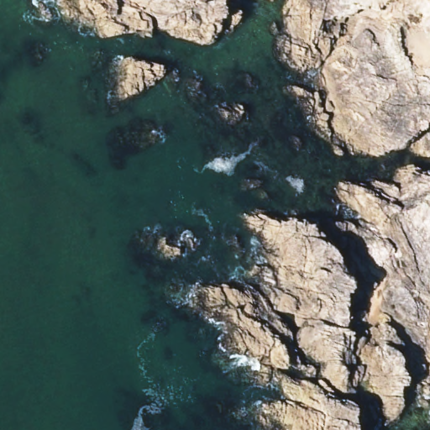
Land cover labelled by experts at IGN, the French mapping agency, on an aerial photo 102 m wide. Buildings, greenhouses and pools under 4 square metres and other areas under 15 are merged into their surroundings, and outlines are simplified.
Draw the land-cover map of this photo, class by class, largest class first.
<instances>
[{"label":"water","instance_id":"1","mask_svg":"<svg viewBox=\"0 0 430 430\"><path fill-rule=\"evenodd\" d=\"M255 13L249 24H244L240 20L232 34H223L220 30L210 44L202 45L191 40L171 37L168 32L161 29L153 30L151 37L119 34L113 37H81L77 32L79 22L64 15L59 20L49 22H25L22 18L24 13H39L37 7L32 5V0H0V430H264L265 425L259 422L260 410H257L255 401L275 403L284 395V391L260 385L254 376L250 375L254 370L250 366H235L233 370L223 373L220 364L213 363V353L218 351L217 338L220 329L205 321L193 307L186 306V294L190 291L191 284L200 282L205 287H218L225 284L230 289L239 287L240 282L232 281L230 274L237 265H242L247 270L252 269V265L247 262V255L250 252V239L255 230L245 222L249 215L254 217L264 213L274 220L286 222L307 210L333 212L336 203L341 200L338 197L339 183H353L366 191L371 190L373 181H385L391 185L395 180L396 171L410 165L417 156V153L406 148L393 149L381 156L364 153L353 155L351 151L348 155H334L333 146L311 128L306 114L296 102L294 87L314 92V81H306V72L292 69L286 62L275 57L274 45H277V40L287 32L282 13L284 3L279 0H254ZM121 55L143 60L148 64H160L165 67L163 76L155 81L153 86L143 87V91L123 99L119 97L118 92V60ZM240 153H244L245 160L239 161L232 170L217 171L208 168L207 163L210 161L217 158L227 160ZM185 230H190L191 235L200 244L195 245V249L188 257H166L163 250L158 247L160 240L166 239V244L173 247L176 239ZM386 427L390 430H430V420L425 408L418 406L417 401L412 406L403 403V410L398 413L395 420L386 417Z\"/></svg>","mask_w":430,"mask_h":430},{"label":"bare soil","instance_id":"2","mask_svg":"<svg viewBox=\"0 0 430 430\"><path fill-rule=\"evenodd\" d=\"M32 5L37 7L39 13H24L22 18L25 22H49L59 20L64 15L79 22L77 32L81 37H113L119 34L151 37L153 30L161 29L168 32L171 37L191 40L202 45L210 44L220 30L223 34H232L240 20L244 24H249L255 13L254 0H32ZM284 3L282 13L287 32L277 40V45H274L275 57L286 62L292 69L306 72V81H314V92L294 87L296 102L306 114L311 128L333 146L334 155H348L351 151L353 155L364 153L381 156L393 149L406 148L417 153V156L410 165L396 171L395 180L391 185L385 181H373L371 190L366 191L353 183H339L338 197L341 200L336 203L333 212L307 210L286 222L274 220L264 213L254 217L249 215L245 222L255 230L250 239V252L247 255V262L252 265V269L247 270L242 265H237L230 274L232 281L240 282L239 287L230 289L225 284L218 287H205L200 282L191 284L190 291L186 294V306L193 307L205 321L220 329L217 338L218 351L213 353V363L220 364L223 373L233 370L235 366H250L254 370L250 375L254 376L260 385L284 391V395L275 403L255 401L257 410H260L259 422L265 425L264 430H390L386 427V417L395 420L398 413L403 410V403L412 406L417 401L418 406L425 408L430 420V0H279ZM118 92L119 97L123 99L143 91V87L153 86L155 81L163 76L165 67L160 64H148L143 60L121 55L118 60ZM245 160L244 153H240L227 160L217 158L210 161L207 163L208 168L217 171L232 170L239 161ZM200 244L191 235L190 230H185L176 239L173 247L166 244V239L160 240L158 247L163 250L166 257H188L195 249V245Z\"/></svg>","mask_w":430,"mask_h":430}]
</instances>
